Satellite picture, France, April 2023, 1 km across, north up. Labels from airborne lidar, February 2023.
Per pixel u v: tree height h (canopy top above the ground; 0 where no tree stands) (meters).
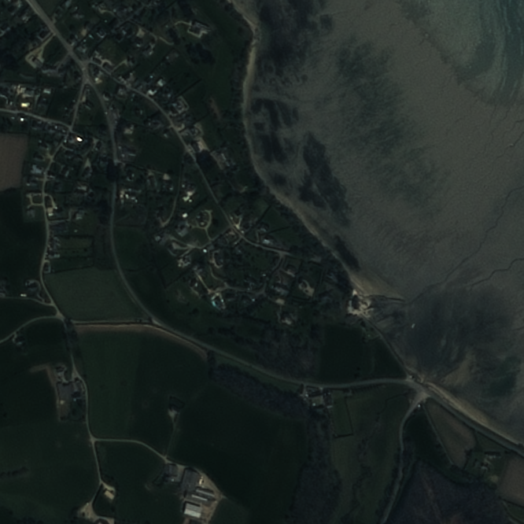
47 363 0
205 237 0
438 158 0
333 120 0
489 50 0
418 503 20
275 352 12
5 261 0
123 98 0
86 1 0
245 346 15
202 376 0
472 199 0
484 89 0
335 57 0
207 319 0
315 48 0
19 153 0
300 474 11
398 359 0
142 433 0
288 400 18
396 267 0
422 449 0
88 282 0
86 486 0
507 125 0
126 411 0
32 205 0
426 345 0
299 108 0
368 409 0
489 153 0
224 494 0
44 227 0
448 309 0
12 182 0
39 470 0
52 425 0
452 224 0
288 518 8
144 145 0
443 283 0
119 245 0
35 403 0
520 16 0
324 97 0
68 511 0
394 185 0
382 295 0
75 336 9
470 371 0
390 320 0
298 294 0
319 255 6
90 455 0
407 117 0
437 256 0
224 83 0
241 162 0
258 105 0
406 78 0
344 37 0
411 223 0
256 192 25
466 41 0
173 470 0
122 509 0
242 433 0
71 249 0
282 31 0
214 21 0
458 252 0
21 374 0
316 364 17
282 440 0
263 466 0
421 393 0
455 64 0
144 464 0
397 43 0
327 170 0
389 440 0
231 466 0
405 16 0
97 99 0
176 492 0
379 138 0
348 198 0
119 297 0
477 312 0
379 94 0
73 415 12
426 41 0
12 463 0
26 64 0
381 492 0
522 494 0
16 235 0
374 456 0
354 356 0
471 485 8
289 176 0
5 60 21
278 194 0
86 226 0
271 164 0
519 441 0
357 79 0
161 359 0
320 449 15
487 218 0
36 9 0
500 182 0
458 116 0
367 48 0
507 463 0
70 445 0
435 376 0
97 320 0
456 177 0
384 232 0
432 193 0
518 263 0
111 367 0
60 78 0
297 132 0
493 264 0
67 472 0
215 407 0
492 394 0
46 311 0
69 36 0
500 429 0
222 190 0
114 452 0
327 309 14
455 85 0
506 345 0
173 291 0
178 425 0
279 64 0
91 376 0
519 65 0
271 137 0
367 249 0
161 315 0
